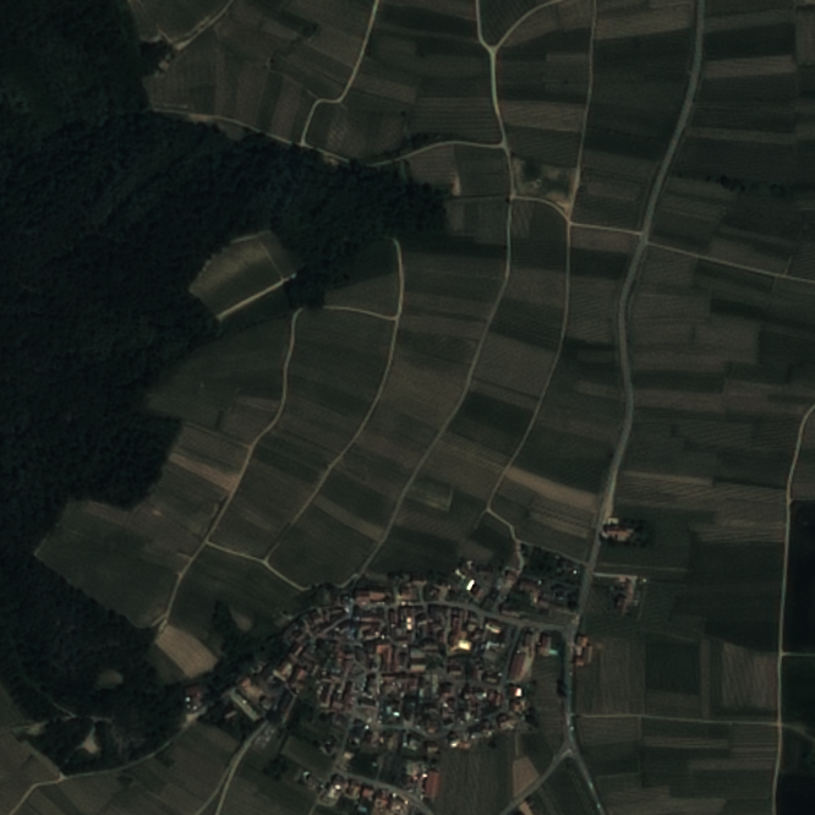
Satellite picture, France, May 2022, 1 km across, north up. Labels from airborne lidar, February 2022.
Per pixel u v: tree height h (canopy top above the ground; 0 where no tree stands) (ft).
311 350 0
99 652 27
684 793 0
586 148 0
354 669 0
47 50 52
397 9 0
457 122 0
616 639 0
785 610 0
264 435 0
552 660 0
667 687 0
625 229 0
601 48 0
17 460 41
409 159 0
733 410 0
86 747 0
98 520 0
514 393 0
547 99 0
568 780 0
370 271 0
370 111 0
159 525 0
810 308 0
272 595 0
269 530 0
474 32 0
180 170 70
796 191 0
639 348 0
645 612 0
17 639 59
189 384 0
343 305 0
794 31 0
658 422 0
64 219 61
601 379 0
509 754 0
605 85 0
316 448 0
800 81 0
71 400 48
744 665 0
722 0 0
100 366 51
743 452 0
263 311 0
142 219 62
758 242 0
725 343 0
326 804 0
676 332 0
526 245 0
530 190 0
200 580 0
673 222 0
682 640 0
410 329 0
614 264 0
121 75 0
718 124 0
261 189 89
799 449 0
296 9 0
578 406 0
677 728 0
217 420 0
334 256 72
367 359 0
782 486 0
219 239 52
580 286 0
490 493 0
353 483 0
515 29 0
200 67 0
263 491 0
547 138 0
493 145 0
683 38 0
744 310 0
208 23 0
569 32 0
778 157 0
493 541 0
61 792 0
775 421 0
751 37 0
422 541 0
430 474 0
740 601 0
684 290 0
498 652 0
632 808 0
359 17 0
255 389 0
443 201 22
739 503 0
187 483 0
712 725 0
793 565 0
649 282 0
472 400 0
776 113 0
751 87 0
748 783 0
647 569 0
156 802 0
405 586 0
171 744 0
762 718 0
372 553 0
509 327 0
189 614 0
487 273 0
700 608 0
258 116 0
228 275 0
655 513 0
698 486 0
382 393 0
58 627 29
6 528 59
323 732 0
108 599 0
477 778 0
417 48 0
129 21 0
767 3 0
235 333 0
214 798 0
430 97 0
